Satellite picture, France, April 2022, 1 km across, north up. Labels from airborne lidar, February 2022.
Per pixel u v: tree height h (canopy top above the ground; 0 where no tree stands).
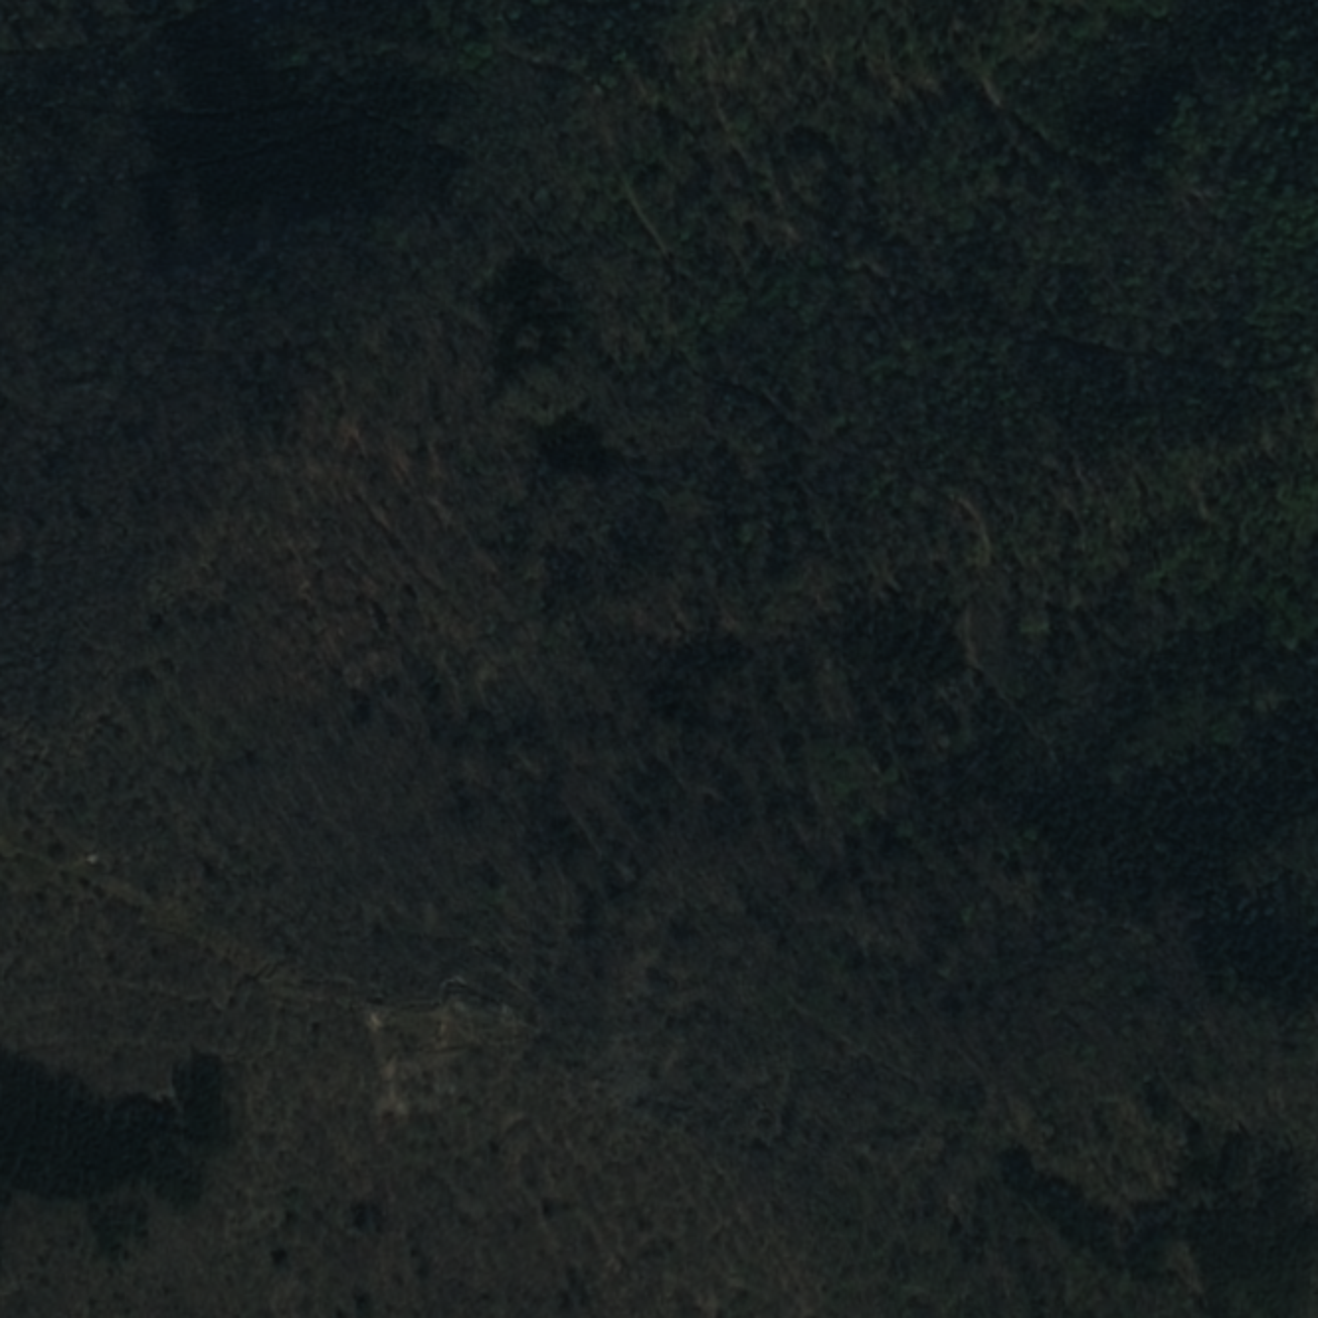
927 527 21
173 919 0
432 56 22
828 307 31
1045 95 21
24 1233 9
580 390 22
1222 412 24
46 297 27
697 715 28
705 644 28
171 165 9
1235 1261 27
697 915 20
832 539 27
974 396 28
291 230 28
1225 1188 25
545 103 15
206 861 12
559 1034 16
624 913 19
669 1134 9
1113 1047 18
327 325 22
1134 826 32
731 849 32
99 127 14
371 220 19
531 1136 13
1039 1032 24
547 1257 20
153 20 23
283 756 29
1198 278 29
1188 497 28
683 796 30
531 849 29
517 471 33
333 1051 7
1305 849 23
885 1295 20
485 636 29
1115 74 20
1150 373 24
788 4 18
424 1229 24
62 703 10
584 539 29
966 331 30
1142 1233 32
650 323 31
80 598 7
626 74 26
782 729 31
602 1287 20
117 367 18
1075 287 30
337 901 21
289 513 26
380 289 24
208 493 18
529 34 27
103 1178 17
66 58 15
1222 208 30
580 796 30
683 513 28
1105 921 17
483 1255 22
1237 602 27
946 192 32
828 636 30
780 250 26
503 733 27
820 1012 26
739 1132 11
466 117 19
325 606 31
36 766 6
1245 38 27
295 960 6
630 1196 12
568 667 31
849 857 26
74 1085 15
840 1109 23
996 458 26
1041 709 26
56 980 11
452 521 30
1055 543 27
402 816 30
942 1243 27
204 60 15
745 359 29
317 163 13
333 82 15
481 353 29
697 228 19
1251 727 26
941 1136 17
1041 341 23
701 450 29
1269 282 29
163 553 9
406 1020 0
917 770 25
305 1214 18
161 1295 8
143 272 21
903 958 29
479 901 25
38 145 18
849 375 33
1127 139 16
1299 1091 19
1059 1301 33
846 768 28
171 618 9
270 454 21
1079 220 34
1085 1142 23
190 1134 15
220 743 21
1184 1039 26
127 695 17
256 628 27
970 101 30
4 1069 16
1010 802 31
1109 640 19
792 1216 16
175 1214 13
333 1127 21
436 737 27
